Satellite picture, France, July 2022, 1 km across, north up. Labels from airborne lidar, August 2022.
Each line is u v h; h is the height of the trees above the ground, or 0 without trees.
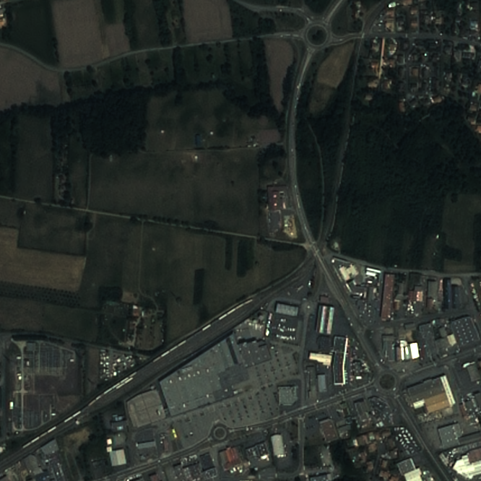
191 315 0
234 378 0
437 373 0
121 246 0
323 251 0
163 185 0
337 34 0
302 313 0
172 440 0
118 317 0
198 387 0
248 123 0
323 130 14
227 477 0
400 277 8
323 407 0
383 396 0
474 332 0
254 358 0
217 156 0
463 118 6
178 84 16
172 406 0
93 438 17
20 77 0
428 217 9
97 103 23
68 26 0
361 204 11
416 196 7
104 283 0
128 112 24
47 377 0
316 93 0
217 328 0
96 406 0
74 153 0
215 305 0
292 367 0
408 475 0
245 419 0
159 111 0
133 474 0
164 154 0
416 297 0
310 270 0
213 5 0
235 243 0
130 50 0
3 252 0
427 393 0
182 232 0
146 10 0
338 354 0
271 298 0
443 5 9
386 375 0
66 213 0
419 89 7
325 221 6
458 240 0
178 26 0
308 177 0
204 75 0
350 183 12
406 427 0
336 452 6
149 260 0
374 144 6
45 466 0
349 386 0
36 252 0
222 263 0
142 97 17
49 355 0
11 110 13
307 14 0
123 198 0
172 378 0
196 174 0
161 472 0
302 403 0
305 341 0
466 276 0
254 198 0
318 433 0
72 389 0
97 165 0
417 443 0
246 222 0
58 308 0
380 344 0
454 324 0
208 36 0
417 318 0
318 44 0
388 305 0
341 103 10
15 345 0
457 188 11
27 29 0
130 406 0
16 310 0
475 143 18
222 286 0
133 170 0
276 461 0
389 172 7
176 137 0
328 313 0
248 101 12
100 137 17
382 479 9
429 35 0
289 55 0
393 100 11
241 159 0
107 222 0
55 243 0
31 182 0
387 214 0
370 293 0
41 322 0
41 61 0
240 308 0
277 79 0
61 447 0
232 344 0
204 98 0
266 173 0
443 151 9
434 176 17
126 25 12
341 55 0
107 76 0
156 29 0
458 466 0
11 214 0
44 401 0
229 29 0
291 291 0
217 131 0
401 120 24
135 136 11
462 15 6
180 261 0
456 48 9
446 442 0
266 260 0
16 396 0
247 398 0
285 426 0
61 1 0
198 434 0
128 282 0
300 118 9
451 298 0
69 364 0
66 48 0
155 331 0
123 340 0
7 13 13
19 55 0
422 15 6
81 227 0
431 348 0
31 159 0
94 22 0
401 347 0
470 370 0
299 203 0
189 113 0
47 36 0
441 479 0
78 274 0
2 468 0
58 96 0
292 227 0
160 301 0
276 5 0
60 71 0
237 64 0
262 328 0
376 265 0
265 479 0
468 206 0
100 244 0
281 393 0
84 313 0
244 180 0
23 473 0
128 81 13
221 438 0
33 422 0
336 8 0
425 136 7
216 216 0
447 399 0
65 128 24
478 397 0
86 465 7
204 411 0
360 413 0
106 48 0
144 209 0
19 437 0
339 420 0
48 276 0
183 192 0
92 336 0
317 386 0
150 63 10
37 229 0
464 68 7
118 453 0
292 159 0
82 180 0
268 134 0
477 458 0
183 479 0
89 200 0
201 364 0
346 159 11
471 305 0
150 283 0
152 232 0
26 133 0
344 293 0
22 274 0
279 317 0
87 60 0
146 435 0
